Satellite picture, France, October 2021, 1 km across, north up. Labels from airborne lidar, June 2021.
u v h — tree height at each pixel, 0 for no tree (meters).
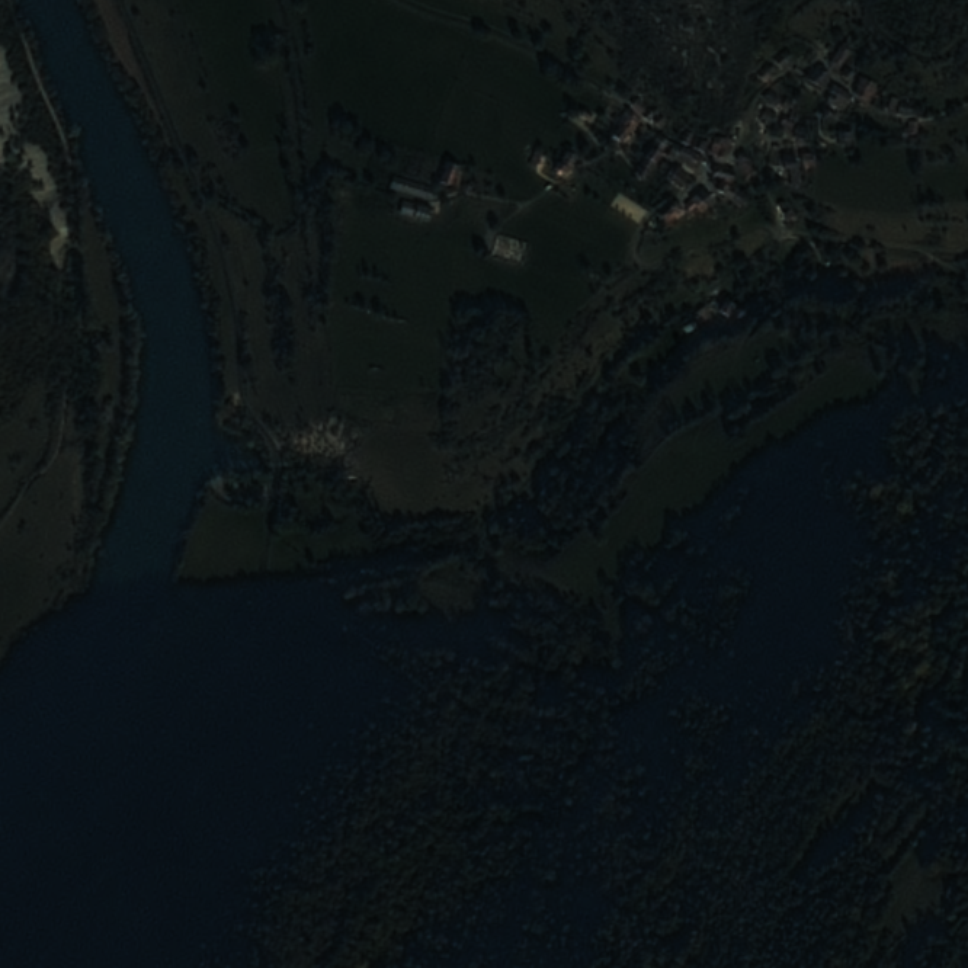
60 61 0
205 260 8
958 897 10
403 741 14
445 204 9
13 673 9
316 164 0
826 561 17
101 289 0
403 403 0
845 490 26
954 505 31
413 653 14
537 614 19
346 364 0
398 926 21
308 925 6
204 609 0
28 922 15
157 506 0
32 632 7
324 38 0
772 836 15
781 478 17
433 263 0
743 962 22
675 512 0
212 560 0
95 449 19
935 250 0
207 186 8
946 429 17
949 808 23
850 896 18
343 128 14
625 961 18
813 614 14
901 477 19
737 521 17
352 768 14
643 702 16
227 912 15
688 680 11
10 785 0
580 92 16
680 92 8
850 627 10
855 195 0
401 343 0
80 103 0
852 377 0
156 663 0
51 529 0
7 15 7
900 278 0
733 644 15
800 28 0
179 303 0
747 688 16
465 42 0
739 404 17
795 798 11
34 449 0
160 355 0
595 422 20
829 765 12
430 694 16
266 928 11
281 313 10
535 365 16
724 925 15
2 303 13
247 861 11
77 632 0
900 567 24
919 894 0
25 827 12
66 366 14
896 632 33
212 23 0
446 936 19
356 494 13
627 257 0
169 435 0
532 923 27
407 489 0
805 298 22
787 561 17
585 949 13
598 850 14
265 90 0
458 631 0
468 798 24
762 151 7
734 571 23
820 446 19
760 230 0
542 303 0
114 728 0
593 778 20
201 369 0
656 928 25
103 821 11
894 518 28
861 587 16
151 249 0
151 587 0
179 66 0
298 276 0
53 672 0
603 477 20
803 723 17
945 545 25
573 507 12
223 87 0
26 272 16
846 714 7
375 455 0
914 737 26
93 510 15
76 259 10
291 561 0
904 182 0
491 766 25
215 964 8
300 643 12
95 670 0
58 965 6
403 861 24
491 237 0
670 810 19
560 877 18
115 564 0
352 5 0
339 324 0
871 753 17
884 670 22
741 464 0
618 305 10
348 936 20
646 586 22
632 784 28
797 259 9
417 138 0
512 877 21
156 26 0
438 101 0
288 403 0
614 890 10
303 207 14
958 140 6
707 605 25
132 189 0
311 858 9
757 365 0
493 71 0
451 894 25
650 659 20
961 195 0
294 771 14
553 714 24
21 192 7
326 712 14
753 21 6
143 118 11
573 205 0
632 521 0
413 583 11
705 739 14
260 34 0
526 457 11
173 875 12
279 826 11
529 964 22
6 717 0
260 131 0
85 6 14
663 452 0
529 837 22
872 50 11
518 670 24
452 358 8
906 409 24
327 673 13
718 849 16
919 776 27
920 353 14
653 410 0
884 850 15
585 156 6
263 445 11
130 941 6
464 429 0
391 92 0
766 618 13
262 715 7
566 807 23
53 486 0
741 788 19
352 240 0
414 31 0
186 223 13
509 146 0
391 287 0
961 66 14
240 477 14
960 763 37
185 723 10
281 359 9
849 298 22
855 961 17
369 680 10
